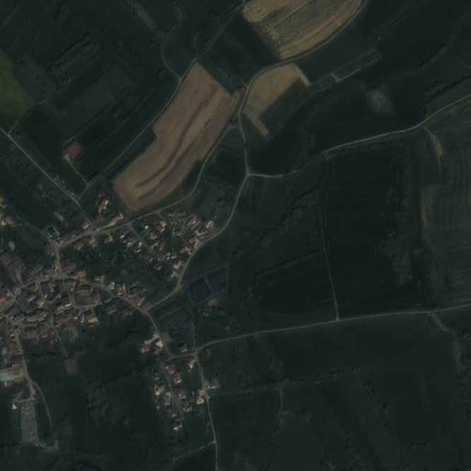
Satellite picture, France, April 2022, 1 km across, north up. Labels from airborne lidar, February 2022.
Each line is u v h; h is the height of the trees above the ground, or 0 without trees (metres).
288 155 0
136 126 0
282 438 0
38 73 0
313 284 0
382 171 0
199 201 0
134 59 0
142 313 0
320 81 0
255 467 0
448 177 0
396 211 0
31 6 0
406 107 0
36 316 0
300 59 0
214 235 0
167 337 0
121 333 0
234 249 0
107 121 0
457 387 0
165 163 0
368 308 0
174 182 0
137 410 0
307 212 8
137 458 0
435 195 0
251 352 0
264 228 0
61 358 12
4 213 0
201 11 0
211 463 0
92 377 0
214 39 0
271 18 0
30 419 0
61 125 0
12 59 0
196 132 0
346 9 0
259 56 0
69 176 0
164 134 0
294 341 0
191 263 0
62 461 20
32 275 0
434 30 0
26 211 0
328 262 0
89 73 0
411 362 0
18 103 0
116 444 0
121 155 0
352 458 10
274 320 0
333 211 0
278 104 0
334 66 0
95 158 0
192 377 0
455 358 0
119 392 0
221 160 0
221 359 0
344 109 0
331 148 0
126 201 0
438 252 0
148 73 0
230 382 0
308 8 0
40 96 0
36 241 14
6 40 0
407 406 0
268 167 0
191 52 0
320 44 0
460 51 0
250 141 0
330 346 0
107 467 0
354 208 0
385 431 0
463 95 0
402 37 0
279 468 0
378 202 0
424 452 0
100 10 0
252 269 0
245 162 0
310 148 0
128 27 0
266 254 0
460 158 0
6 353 0
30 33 0
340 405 0
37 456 0
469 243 0
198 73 0
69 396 0
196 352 0
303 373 0
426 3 0
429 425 0
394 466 0
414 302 0
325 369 0
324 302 0
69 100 0
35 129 0
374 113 0
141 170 0
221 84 0
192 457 0
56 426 6
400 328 0
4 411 0
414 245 0
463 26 0
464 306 0
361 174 0
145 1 0
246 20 0
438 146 0
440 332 6
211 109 0
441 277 0
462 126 0
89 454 11
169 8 0
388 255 12
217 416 0
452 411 0
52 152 0
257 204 0
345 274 0
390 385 0
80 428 0
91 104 0
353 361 0
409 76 0
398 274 15
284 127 0
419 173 0
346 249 0
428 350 0
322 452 0
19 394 0
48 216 0
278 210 0
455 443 0
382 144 5
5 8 0
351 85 0
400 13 0
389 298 0
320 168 0
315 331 0
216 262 0
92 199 0
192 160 0
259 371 0
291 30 0
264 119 0
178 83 0
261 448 0
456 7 0
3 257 0
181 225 0
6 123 0
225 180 0
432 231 0
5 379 0
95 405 13
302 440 0
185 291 0
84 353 10
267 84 0
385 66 0
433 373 0
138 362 0
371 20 0
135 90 0
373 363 0
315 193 8
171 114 0
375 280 0
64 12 9
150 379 0
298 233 0
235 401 0
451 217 0
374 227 0
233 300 0
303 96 0
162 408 0
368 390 13
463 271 0
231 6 0
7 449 12
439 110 0
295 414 7
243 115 0
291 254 0
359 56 0
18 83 0
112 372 0
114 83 0
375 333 0
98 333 0
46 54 0
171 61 0
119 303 13
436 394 0
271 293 0
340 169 0
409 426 0
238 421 0
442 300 0
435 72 0
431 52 0
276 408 0
